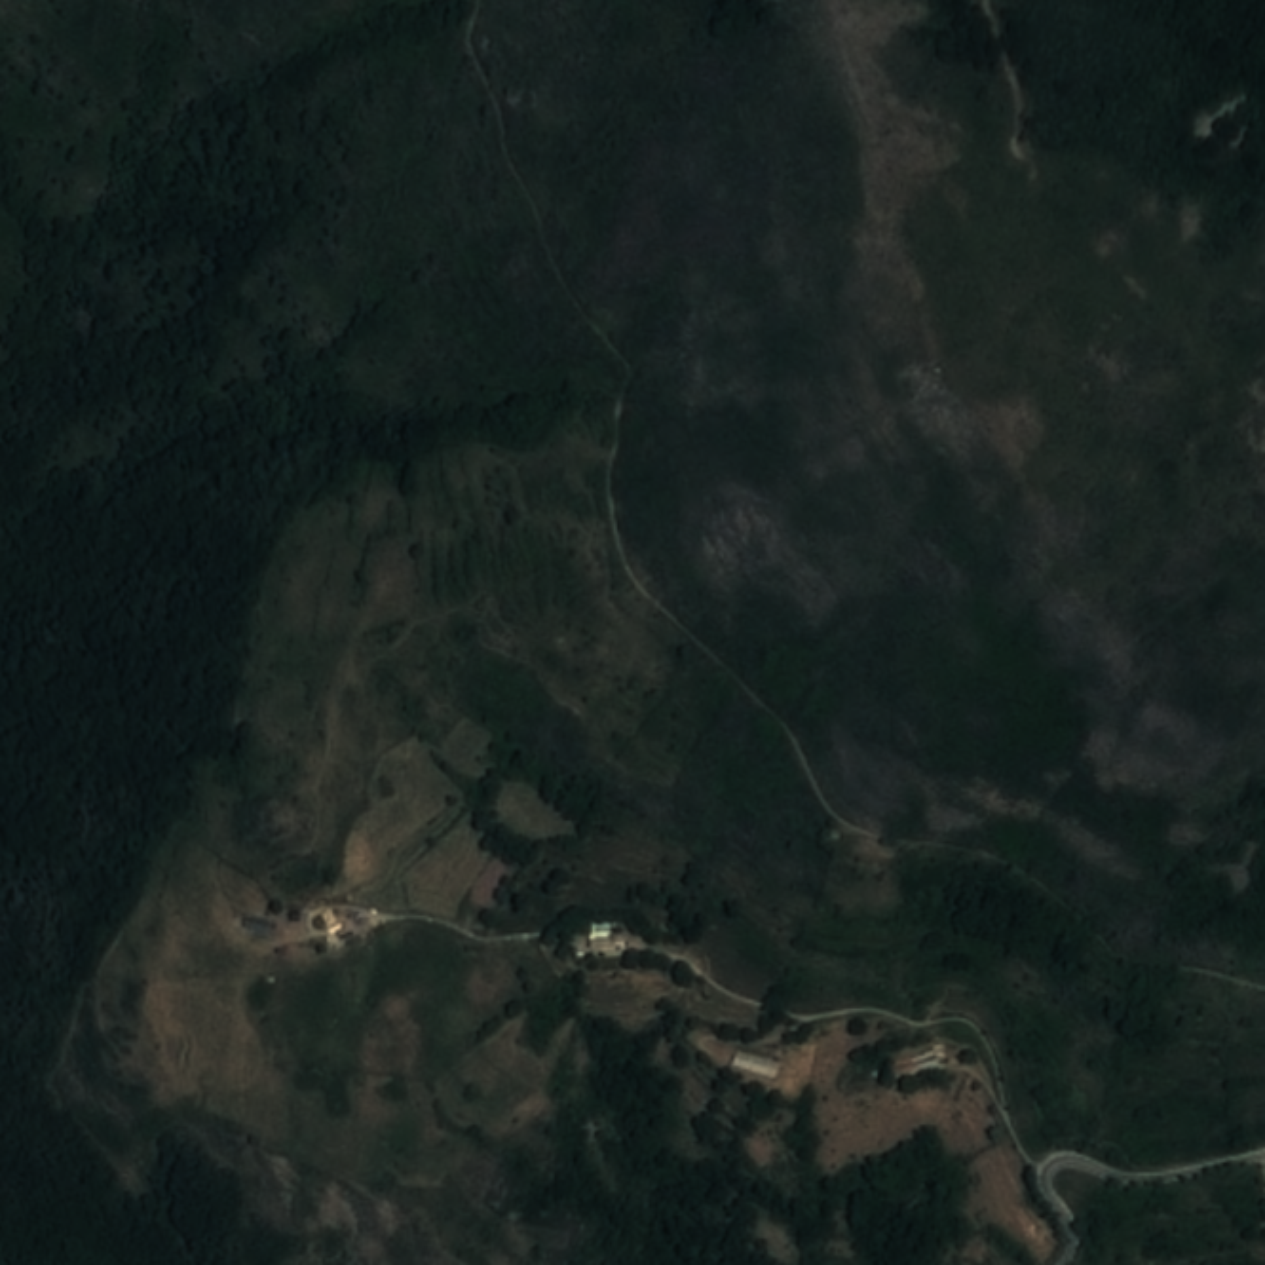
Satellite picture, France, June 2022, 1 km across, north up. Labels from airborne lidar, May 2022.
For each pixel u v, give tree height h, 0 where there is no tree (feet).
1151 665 0
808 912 0
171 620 44
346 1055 0
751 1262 33
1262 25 54
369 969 0
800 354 0
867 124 0
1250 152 36
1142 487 0
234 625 34
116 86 0
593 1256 33
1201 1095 0
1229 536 0
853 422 0
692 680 0
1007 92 0
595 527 0
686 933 51
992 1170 0
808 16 0
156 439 57
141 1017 0
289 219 42
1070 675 0
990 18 31
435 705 0
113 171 31
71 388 60
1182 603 0
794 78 0
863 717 0
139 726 29
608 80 0
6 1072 33
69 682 57
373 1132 0
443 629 0
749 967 0
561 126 0
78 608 51
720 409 0
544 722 0
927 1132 51
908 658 0
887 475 0
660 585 0
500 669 0
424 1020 0
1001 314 0
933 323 0
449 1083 0
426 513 0
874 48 0
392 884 0
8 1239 52
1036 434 0
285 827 0
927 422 0
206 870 0
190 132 37
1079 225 0
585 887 0
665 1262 57
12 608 66
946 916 23
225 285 53
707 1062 36
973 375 0
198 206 47
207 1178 43
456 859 0
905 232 0
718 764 0
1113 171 0
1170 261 0
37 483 30
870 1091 0
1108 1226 24
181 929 0
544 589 0
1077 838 0
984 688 0
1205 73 22
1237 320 0
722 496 0
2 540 82
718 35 37
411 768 0
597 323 0
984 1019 0
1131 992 19
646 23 0
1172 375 0
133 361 40
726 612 0
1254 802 46
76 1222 55
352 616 0
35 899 53
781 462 0
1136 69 37
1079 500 0
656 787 0
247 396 33
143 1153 0
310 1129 0
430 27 38
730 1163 27
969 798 0
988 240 0
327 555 0
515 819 0
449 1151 0
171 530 59
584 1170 53
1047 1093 37
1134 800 0
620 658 0
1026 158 0
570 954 27
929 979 0
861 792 0
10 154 41
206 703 34
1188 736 0
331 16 0
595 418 0
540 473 0
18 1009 34
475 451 0
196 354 55
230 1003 0
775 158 0
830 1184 64
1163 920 22
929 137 0
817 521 0
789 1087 0
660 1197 47
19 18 0
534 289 0
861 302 0
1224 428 0
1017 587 0
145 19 25
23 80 36
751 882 0
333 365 47
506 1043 0
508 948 0
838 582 0
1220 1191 0
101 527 57
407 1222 0
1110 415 0
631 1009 0
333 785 0
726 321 0
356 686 0
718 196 0
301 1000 0
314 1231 0
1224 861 39
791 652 0
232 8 0
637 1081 26
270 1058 0
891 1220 56
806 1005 0
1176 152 24
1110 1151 22
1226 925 31
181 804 28
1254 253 0
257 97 24
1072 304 0
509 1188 0
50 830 50
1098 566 0
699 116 0
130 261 50
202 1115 0
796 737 0
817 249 0
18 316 42
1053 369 0
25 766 50
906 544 0
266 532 37
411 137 0
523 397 47
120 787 48
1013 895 26
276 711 0
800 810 0
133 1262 54
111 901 27
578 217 0
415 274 26
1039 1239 0
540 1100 0
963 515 0
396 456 63
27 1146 43
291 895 0
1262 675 0
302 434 49
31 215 42
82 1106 0
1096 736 0
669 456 0
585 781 23
